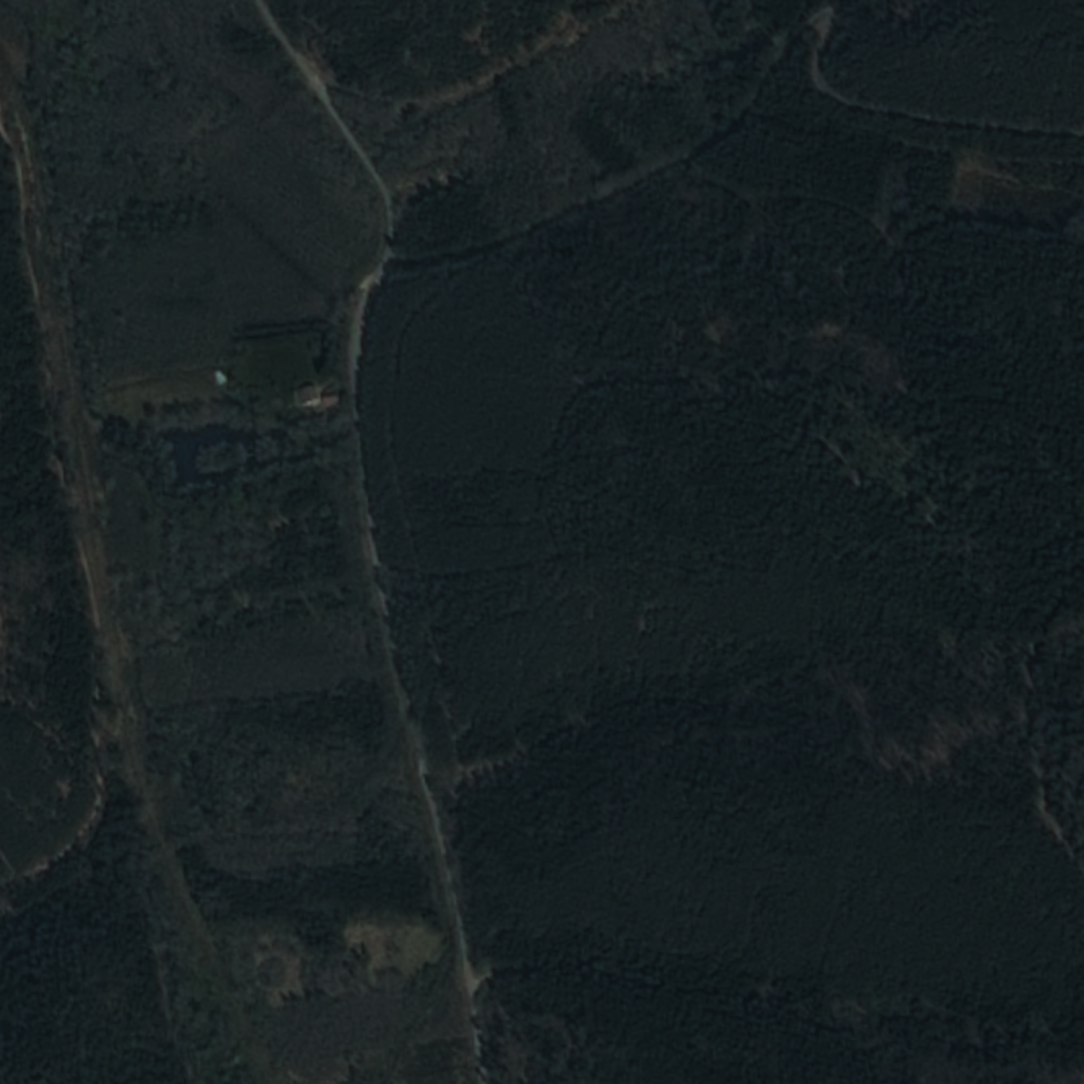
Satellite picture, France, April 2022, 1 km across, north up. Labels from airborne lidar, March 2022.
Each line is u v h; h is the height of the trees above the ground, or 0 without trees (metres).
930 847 15
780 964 22
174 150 19
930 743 18
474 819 20
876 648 18
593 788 14
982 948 13
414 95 10
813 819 16
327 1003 21
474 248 7
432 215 17
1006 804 18
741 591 17
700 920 16
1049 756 22
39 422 20
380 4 11
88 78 23
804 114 20
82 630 15
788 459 23
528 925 17
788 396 19
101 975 20
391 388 20
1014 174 20
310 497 16
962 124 16
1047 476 20
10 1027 9
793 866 16
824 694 19
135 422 0
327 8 11
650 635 9
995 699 18
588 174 14
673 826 15
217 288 10
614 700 19
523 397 17
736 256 13
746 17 12
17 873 17
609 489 22
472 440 18
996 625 23
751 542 22
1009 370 25
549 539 11
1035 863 17
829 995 22
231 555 22
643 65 15
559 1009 13
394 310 18
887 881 13
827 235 12
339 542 18
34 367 18
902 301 16
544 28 13
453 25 12
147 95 23
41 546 23
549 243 11
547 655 14
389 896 23
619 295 11
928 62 15
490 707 15
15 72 0
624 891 14
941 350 18
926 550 22
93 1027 21
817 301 12
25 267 13
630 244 11
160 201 9
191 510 24
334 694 12
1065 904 18
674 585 17
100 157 23
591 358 14
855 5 11
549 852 17
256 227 8
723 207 12
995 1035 21
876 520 22
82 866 26
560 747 24
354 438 19
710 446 24
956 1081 23
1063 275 18
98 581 0
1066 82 16
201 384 0
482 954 20
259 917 19
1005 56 13
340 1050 9
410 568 15
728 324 11
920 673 21
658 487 23
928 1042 21
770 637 17
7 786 18
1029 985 18
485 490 14
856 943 15
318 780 6
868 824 16
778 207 14
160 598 23
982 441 16
